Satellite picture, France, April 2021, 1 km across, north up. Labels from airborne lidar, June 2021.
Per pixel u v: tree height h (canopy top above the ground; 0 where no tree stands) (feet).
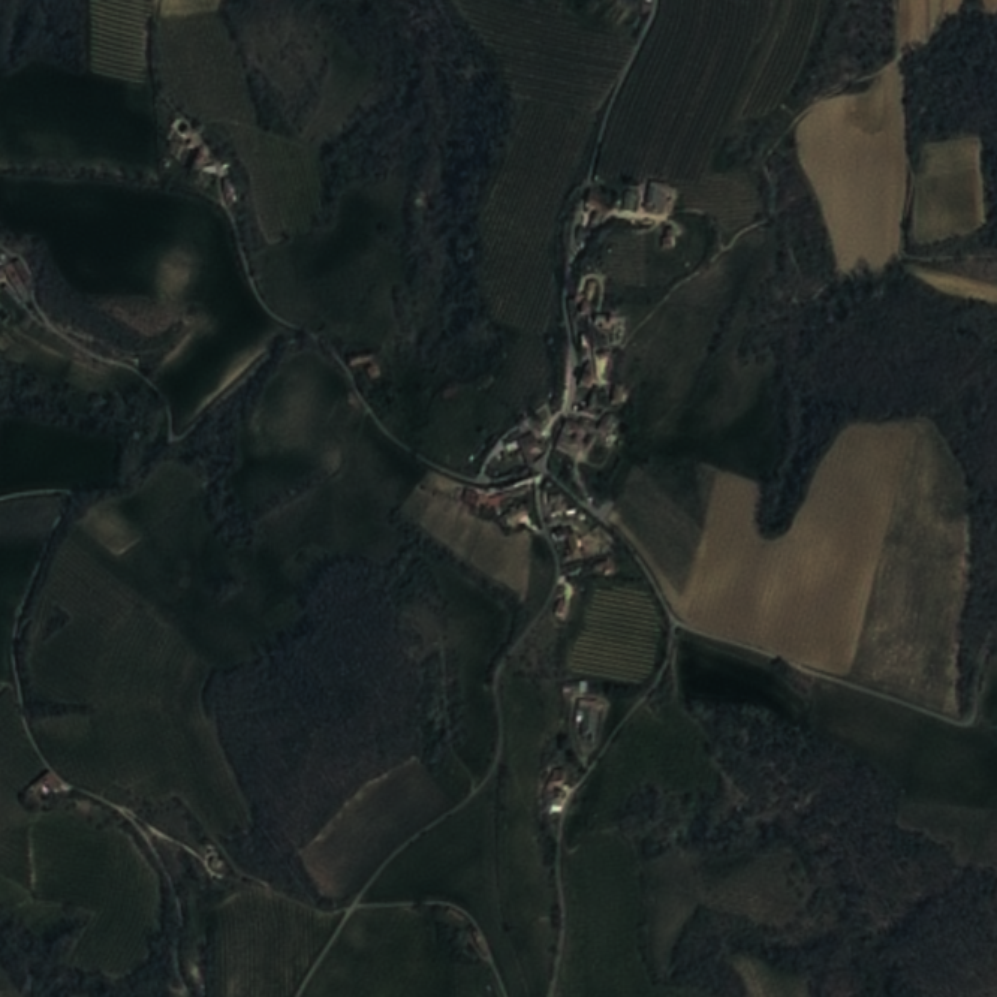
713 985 40
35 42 71
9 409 21
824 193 0
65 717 25
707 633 0
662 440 0
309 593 49
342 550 0
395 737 48
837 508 0
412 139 41
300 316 0
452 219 77
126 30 0
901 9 0
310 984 0
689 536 0
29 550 0
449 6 47
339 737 59
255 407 26
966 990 44
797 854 42
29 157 0
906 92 34
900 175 0
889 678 0
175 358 0
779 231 49
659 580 0
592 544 0
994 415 36
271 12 42
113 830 27
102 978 49
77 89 0
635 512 0
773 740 52
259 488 0
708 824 80
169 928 52
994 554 41
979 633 39
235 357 0
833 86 22
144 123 0
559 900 27
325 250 0
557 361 31
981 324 29
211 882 29
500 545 0
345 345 28
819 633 0
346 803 33
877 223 0
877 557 0
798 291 38
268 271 0
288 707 34
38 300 31
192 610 0
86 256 0
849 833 45
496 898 0
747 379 0
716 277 0
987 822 0
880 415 40
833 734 0
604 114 0
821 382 23
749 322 28
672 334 0
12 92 0
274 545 0
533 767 0
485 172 62
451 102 88
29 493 0
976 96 28
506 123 80
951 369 23
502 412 0
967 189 0
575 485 37
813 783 57
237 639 0
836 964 60
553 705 0
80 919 21
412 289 33
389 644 55
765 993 0
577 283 22
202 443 60
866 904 39
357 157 64
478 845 0
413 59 49
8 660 0
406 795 0
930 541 0
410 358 34
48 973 71
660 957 0
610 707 0
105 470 0
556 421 0
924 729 0
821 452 39
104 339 45
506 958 0
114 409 92
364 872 0
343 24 25
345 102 0
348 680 55
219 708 24
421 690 34
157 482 0
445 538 0
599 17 0
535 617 28
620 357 44
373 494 0
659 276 0
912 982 41
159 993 26
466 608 0
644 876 22
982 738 0
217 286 0
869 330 39
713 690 0
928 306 38
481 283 22
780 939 51
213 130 0
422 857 0
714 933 44
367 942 0
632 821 48
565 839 0
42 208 0
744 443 0
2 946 116
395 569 20
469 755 0
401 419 0
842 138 0
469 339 99
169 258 0
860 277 43
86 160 0
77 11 55
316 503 0
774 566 0
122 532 0
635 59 0
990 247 32
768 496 59
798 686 19
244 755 29
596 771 0
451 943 22
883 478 0
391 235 54
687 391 0
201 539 0
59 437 0
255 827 33
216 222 0
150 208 0
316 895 47
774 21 0
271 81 28
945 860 41
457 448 0
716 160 0
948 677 0
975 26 30
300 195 0
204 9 0
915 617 0
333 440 0
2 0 58
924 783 0
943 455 0
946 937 46
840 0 59
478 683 0
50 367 0
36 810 42
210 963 48
